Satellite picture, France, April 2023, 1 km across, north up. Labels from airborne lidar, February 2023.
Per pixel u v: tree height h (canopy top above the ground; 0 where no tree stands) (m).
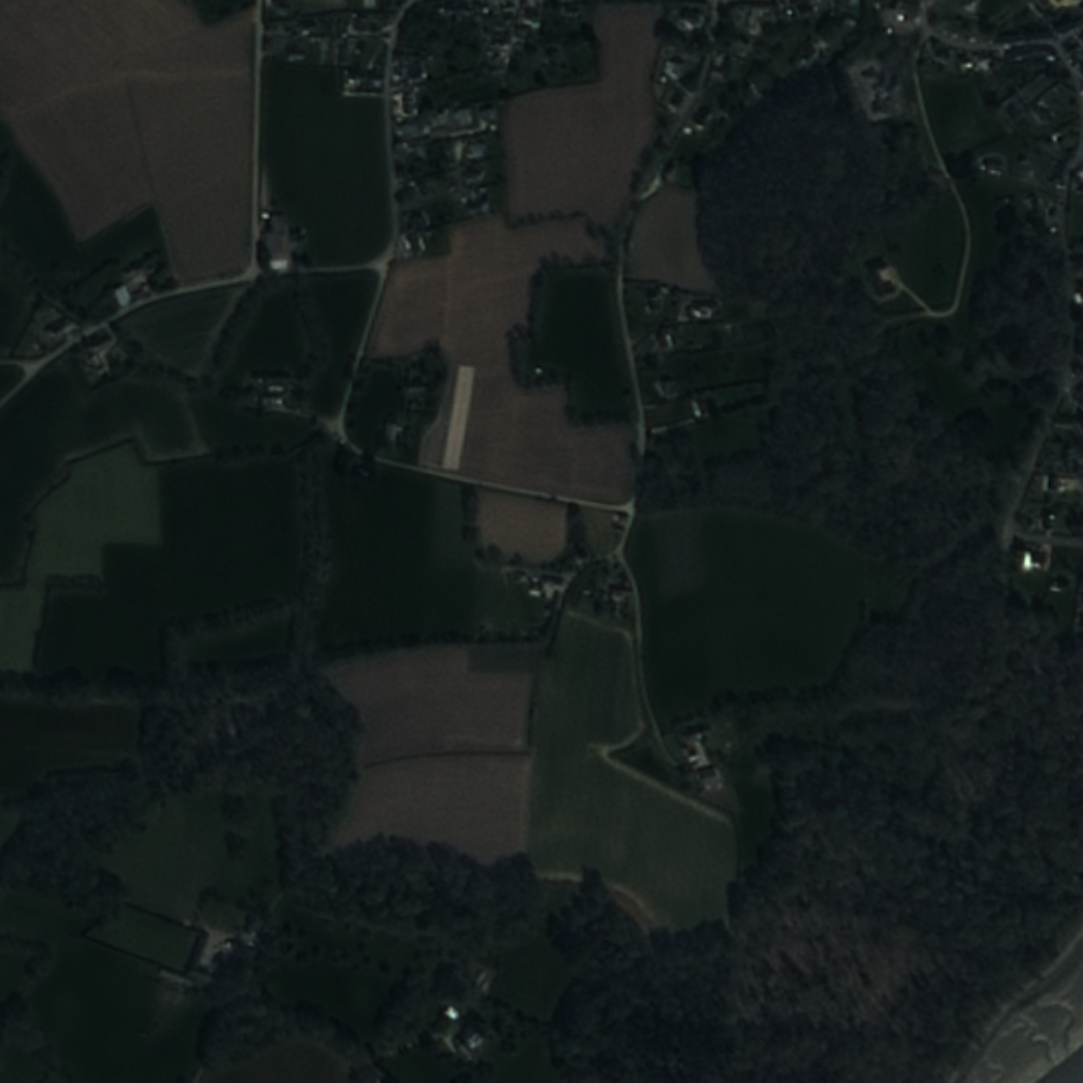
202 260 0
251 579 0
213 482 0
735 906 24
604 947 17
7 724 0
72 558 0
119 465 0
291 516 0
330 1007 0
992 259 0
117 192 0
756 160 24
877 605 0
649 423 0
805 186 24
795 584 0
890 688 19
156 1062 0
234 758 26
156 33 0
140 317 0
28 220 0
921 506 17
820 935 16
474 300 0
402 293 0
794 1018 19
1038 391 30
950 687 28
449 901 19
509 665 0
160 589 0
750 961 22
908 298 0
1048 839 36
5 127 0
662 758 0
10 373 0
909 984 18
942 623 23
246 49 0
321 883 26
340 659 13
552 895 0
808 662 0
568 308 0
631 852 0
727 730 0
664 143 14
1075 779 17
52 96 0
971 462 28
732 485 20
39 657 9
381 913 16
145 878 0
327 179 0
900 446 27
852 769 31
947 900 33
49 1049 16
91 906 20
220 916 0
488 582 0
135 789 21
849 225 23
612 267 12
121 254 0
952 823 30
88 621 0
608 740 0
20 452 0
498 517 0
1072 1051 0
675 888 0
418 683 0
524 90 0
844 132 28
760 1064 19
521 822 0
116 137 0
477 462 0
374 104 0
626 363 0
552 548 0
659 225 0
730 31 10
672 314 0
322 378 0
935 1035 23
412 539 0
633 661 0
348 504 0
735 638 0
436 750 0
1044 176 0
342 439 0
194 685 22
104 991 0
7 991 0
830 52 0
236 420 0
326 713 25
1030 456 0
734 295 19
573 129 0
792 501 22
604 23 0
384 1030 20
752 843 0
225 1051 23
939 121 0
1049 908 19
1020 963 22
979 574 19
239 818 25
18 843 16
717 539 0
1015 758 16
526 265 0
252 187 0
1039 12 8
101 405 0
